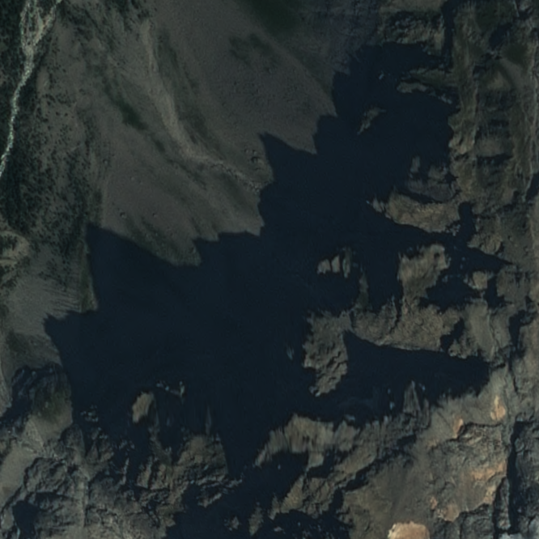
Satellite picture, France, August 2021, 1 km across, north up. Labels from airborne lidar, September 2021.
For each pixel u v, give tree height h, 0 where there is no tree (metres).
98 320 0
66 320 0
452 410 0
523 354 0
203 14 0
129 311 0
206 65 0
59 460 0
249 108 0
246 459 0
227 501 0
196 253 0
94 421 0
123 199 0
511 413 0
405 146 0
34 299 0
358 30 0
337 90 0
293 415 0
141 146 0
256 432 0
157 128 0
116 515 0
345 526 0
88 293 0
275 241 0
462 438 0
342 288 0
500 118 0
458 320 0
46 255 0
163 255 0
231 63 0
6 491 0
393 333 0
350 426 0
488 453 0
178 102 0
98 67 0
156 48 0
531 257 0
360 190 0
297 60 0
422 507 0
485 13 0
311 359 0
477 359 0
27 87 6
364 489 0
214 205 0
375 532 0
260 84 0
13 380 0
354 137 0
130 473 0
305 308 0
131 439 0
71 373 0
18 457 0
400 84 0
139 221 0
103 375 0
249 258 0
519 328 0
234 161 0
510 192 0
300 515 0
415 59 0
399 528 0
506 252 0
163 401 0
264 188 0
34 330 0
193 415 0
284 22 0
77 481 0
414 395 0
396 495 0
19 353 0
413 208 0
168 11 0
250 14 0
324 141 0
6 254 0
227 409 0
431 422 0
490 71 0
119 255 0
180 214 0
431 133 0
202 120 0
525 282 0
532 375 0
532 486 0
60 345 0
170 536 0
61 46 0
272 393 0
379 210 0
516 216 0
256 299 0
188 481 0
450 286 0
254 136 0
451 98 0
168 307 0
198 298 0
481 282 0
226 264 0
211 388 0
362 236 0
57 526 0
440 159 0
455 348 0
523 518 0
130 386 0
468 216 0
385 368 0
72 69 0
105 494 0
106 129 0
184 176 0
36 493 0
